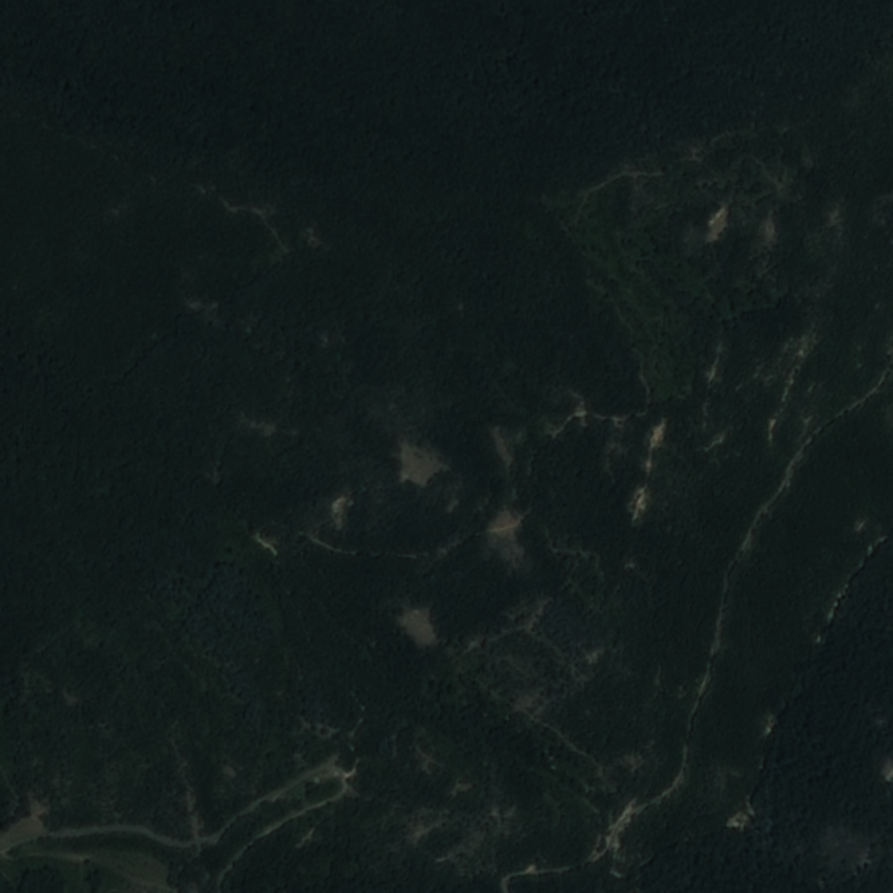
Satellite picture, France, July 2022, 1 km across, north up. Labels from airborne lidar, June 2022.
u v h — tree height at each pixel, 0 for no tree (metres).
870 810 11
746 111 8
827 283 6
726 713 15
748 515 14
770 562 14
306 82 21
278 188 10
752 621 10
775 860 12
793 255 10
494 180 13
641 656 13
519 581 7
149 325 7
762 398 11
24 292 6
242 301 13
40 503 13
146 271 7
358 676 10
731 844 12
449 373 9
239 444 9
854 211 9
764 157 7
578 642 11
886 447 14
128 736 7
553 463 8
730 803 6
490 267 11
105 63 19
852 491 13
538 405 7
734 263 11
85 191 6
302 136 15
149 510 17
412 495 7
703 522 14
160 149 10
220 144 14
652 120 12
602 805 14
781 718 11
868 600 10
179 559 15
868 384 10
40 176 6
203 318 11
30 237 7
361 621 19
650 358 6
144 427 16
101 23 19
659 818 14
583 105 17
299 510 8
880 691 12
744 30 13
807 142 7
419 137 15
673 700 10
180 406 15
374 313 11
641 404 7
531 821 6
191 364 12
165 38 18
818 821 11
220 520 9
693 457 8
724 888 17
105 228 7
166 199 5
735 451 12
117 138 12
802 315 11
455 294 9
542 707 6
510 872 11
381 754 12
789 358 10
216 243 8
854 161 11
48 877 11
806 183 6
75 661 9
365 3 16
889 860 6
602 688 8
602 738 14
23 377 22
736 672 10
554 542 7
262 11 20
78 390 17
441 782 6
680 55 13
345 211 13
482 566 10
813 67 10
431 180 13
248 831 13
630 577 10
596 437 10
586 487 12
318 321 11
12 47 20
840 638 13
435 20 19
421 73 12
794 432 6
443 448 6
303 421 6
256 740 9
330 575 12
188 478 12
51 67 17
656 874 16
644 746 7
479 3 16
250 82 19
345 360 8
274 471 8
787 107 7
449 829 7
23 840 0
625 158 9
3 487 18
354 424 7
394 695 12
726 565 17
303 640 11
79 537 14
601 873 11
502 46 21
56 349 8
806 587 16
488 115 15
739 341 9
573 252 12
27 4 18
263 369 7
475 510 6
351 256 12
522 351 8
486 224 16
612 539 12
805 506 14
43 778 7
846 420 13
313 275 12
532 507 7
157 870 0
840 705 10
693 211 8
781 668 14
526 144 10
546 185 10
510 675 6
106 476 11
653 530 12
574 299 11
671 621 18
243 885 15
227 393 10
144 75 21
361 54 20
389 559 11
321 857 15
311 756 7
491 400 7
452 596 9
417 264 13
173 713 7
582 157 10
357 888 13
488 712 8
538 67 19
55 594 7
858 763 12
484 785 7
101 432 17
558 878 13
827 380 9
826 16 9
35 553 15
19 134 7
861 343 10
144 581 13
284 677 6
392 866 11
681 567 15
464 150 9
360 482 7
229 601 13
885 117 7
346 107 14
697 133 8
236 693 13
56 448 19
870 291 13
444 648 9
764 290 15
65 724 6
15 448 20
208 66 26
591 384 7
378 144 10
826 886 8
